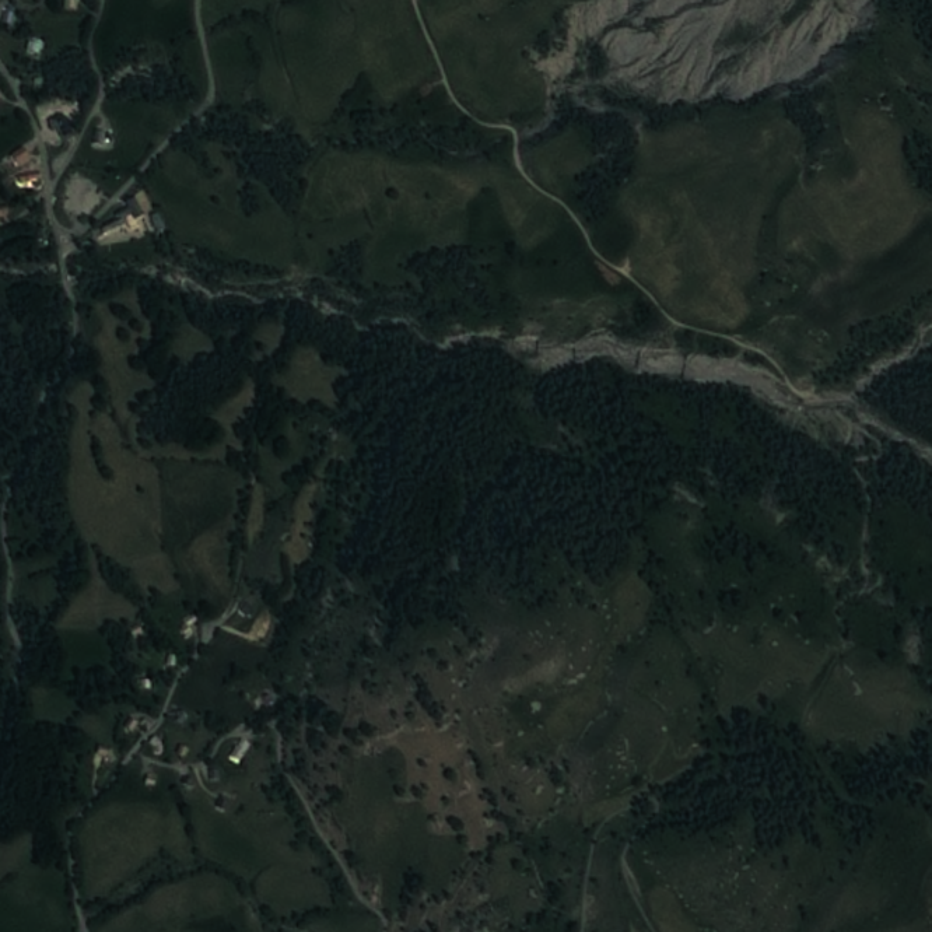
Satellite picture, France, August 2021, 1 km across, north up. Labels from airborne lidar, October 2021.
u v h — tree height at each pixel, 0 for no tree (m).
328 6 0
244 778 0
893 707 0
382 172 0
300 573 8
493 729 0
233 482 0
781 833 10
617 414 16
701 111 10
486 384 22
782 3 0
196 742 0
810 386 0
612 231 0
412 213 0
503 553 6
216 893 0
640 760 0
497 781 0
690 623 7
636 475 13
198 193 0
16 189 0
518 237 0
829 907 0
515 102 0
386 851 0
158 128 0
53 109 0
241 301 8
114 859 0
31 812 21
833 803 14
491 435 26
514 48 0
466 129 17
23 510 10
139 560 0
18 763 28
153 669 8
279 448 14
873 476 6
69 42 0
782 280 6
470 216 0
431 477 28
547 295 0
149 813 0
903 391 7
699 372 0
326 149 0
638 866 0
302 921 7
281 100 0
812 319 0
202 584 0
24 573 0
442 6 0
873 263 0
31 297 20
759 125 0
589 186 10
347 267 7
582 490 9
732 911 0
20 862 0
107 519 0
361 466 15
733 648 0
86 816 6
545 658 0
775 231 0
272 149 18
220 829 0
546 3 0
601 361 8
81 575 18
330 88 0
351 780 0
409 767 0
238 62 0
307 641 5
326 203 0
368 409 15
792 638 0
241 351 19
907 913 0
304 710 10
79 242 18
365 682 6
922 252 0
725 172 0
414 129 7
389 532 10
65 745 13
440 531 14
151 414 9
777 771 8
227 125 14
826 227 0
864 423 0
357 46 0
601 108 0
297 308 15
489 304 7
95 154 0
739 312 0
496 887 0
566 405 17
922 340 0
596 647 0
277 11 0
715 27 0
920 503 19
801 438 10
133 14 0
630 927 0
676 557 0
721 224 0
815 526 9
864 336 9
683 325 0
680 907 0
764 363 9
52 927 0
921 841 0
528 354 0
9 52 0
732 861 0
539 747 0
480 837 0
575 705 0
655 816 7
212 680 0
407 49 0
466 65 0
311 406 10
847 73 0
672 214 0
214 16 0
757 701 0
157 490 0
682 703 0
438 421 22
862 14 0
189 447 17
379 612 7
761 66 0
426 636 0
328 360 15
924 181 12
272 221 0
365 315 6
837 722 0
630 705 0
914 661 0
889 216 0
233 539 12
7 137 0
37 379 8
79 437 0
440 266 6
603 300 0
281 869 0
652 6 0
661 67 0
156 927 0
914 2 10
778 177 0
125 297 0
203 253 7
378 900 0
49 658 18
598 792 0
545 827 0
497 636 0
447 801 9
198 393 16
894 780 15
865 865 0
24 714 23
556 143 0
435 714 10
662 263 0
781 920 0
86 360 17
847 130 0
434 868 0
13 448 20
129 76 8
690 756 0
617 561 20
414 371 22
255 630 0
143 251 0
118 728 7
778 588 0
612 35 0
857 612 0
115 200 0
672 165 0
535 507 17
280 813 0
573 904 0
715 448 7
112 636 14
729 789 19
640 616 0
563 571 0
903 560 0
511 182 0
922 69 0
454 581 8
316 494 0
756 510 0
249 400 0
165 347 17
